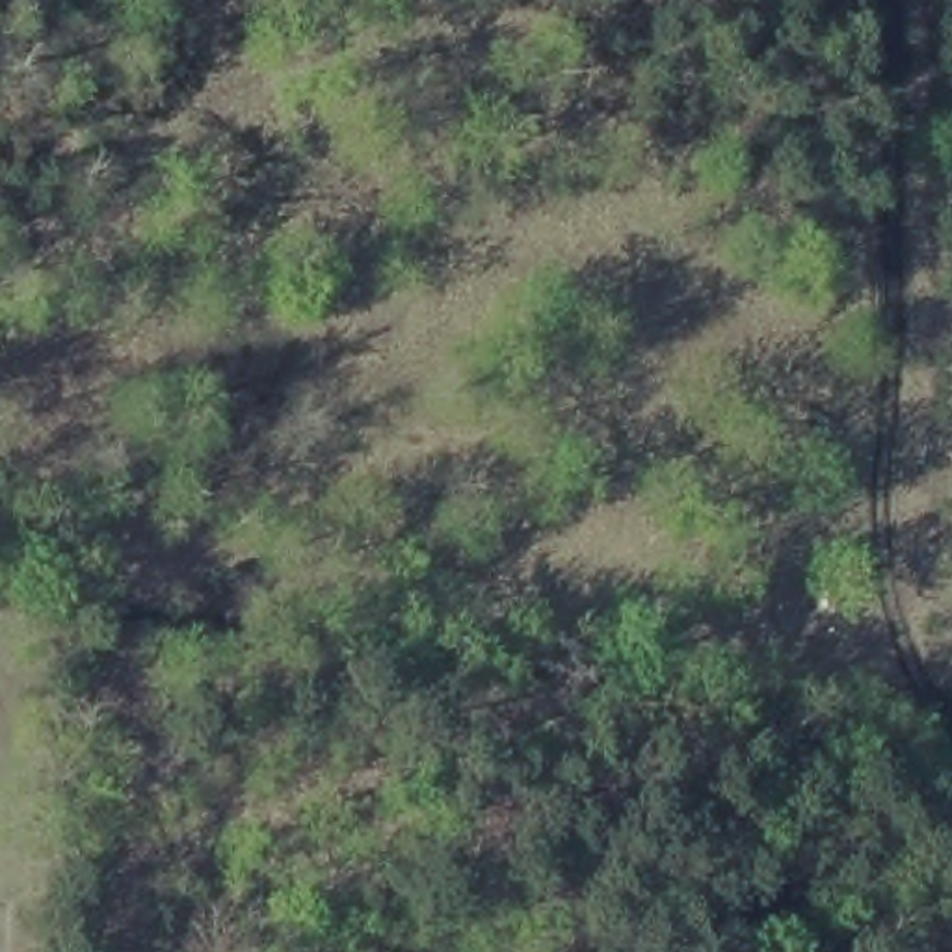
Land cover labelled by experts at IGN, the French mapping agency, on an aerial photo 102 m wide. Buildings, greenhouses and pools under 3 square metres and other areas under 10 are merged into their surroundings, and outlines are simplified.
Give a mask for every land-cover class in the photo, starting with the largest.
<instances>
[{"label":"coniferous trees","instance_id":"1","mask_svg":"<svg viewBox=\"0 0 952 952\"><path fill-rule=\"evenodd\" d=\"M11 33L19 37L37 33L45 22H67L74 33L86 30L89 15L78 11L71 0H19L11 7ZM115 11L104 22H97L100 52L89 63H67L63 78L45 74L37 67L45 45L37 41L30 56L11 60L0 74V357L26 331L48 327V312L56 305L71 309V327L97 331L108 342L115 335L134 338L152 316L156 257L190 253L193 275L223 268V253L216 245L227 234V208L249 190L245 175L227 171V160L219 156L182 160L186 141L179 138H167V152L156 156L160 171L167 175V190L149 197L145 208H138V219L123 231L126 249L100 268L86 253H71L56 260L48 271L33 268L26 245L15 238V216L4 208V201L19 186L37 201V208H67L74 223L97 227L100 208L115 190V175L123 171L108 160L104 141L119 134L152 138V123H164L182 112V104L212 74L219 56L242 48L253 0H112ZM33 141H67L78 156V167H22L30 160ZM353 11L364 22H376L379 37L390 48L413 45L420 37H446L454 33V22L435 15L417 19L409 0H338V19L350 22ZM614 0H532L528 7L536 11H554L580 26L588 7H602ZM740 15L736 0H673L655 15V30L647 37L614 33V52H621L625 63L636 71V112L651 119L666 112V100L677 86V48L707 52L703 30H714L721 19L729 22ZM855 0H785L781 37L788 45L811 60H829L833 74L844 82V97L833 104L829 123L818 138H811L807 145L785 141L774 149L777 190L800 197H852L859 212L874 219L878 212L893 208V179L889 171H874L859 160V141L852 126L870 119L878 130H896V104L885 86H878V67L866 60V52H859V30L852 26ZM941 160V179L952 182V115L937 119L930 138ZM941 264L922 268L930 275L933 294L941 301L952 298V212L937 216ZM926 368L933 372V398L926 402L937 424L952 420V357L937 353L926 361ZM231 420L227 387L208 368L119 383L112 394V409L93 424V439H86L74 450L78 469L60 476L56 483L11 480V454H0V643L11 651L4 666L15 673L19 684L7 714L11 747L0 766V863L7 866L19 893V926L30 941L26 952H104L89 941L82 915L89 904H97L104 852L119 840L167 844L175 837H190L193 829H201L208 803L231 781V759L216 755L212 740L223 721L242 733V714H257L268 729H286L268 751H260L245 788L257 803L279 800V785L298 774V747H316L324 736V729L316 725L320 707L335 714L338 729V744L331 747V762L324 766L327 774L350 777L357 770H368L364 751L372 747L387 755V788L379 800L398 818H405L387 844L402 852L390 870V885L409 904V911L402 919H383L379 911H353L346 922H335L327 915V900L320 896L324 878L305 859L290 863L294 889H283L271 896V904L245 911L242 896L271 833L260 818L242 814L219 837L223 874L216 881L205 885L186 870H164L152 878L156 893H179L193 900L190 926L175 919V907L156 911L152 952H822L796 915L766 919L762 926L733 922L721 933L710 919V911L721 904H747L762 893H777L792 848L814 859L811 896L837 926L852 933L855 952H952V774L937 766L930 744L945 733L941 714L915 707L874 673L844 677L840 684L814 677H796L777 662H744L759 699L766 692H796L807 703V710L818 714L814 721L829 740L811 759V766H803L800 759H788L774 747V729L759 714L736 725L721 710L714 718H695L681 703H658L647 710L643 699L621 703L602 688L606 669L599 662V643L580 628L576 636H562L554 628L550 640L569 655L562 677L569 699L584 710L588 733H480L472 725V714L454 710L476 669L457 662L446 647L420 643L417 632L405 625L402 584L383 573L376 558L383 547L398 543L394 521L402 513V498L394 495V483L383 472H364L357 461L331 483L324 498L305 491L286 509L275 502L271 491H227L223 498H216L205 483V461L219 446H227ZM126 513L156 521L171 539H182L193 521L212 524L216 558L201 573L197 588L175 584L171 606L193 610L219 602L242 621V628L219 636L201 625H190L179 632H160L145 647L126 643L119 636L115 617L130 588L126 573L119 569V550L93 547L82 536L89 521ZM509 792L524 807L513 822L509 878L528 889V911H502L495 919H483L469 889L472 870L457 863V852L469 826L480 822L487 807H495ZM298 826L309 840H316V852L335 848L338 855L357 863L368 852H379V844L376 833L357 822L353 807L338 796L335 807H305Z\"/></svg>","mask_w":952,"mask_h":952},{"label":"herbaceous vegetation","instance_id":"2","mask_svg":"<svg viewBox=\"0 0 952 952\"><path fill-rule=\"evenodd\" d=\"M19 0H0V74L11 60L30 56L37 41L45 45L37 67L45 74L63 78L67 63H89L100 52L97 22H104L115 11L112 0H71L78 11L89 15L86 30L74 33L67 22H45L37 33L19 37L11 33V7ZM487 15V22L469 37H420L413 45L390 48L357 67V74L376 89L379 108H405L409 123L402 130V141L409 145L413 164L431 179V190L439 193V216L420 231H405L387 227L379 219L383 193L372 171H357L331 145L324 123L305 126L312 156H320L324 164L301 179V167L290 156L286 141L279 134H264L275 123V97L268 78L245 63L242 48L219 56L212 74L182 104V112L164 123H152V138L119 134L104 141L108 160L123 171L115 175V190L100 208L97 227L74 223L67 208H37V201L19 186L4 201V208L15 216V238L26 245L33 268L48 271L56 260L71 253H86L100 268L126 249L123 231L138 219V208H145L149 197L167 190V175L160 171L156 156L167 152V138H179L186 141L182 160L219 156L227 160V171L245 175L249 190L227 208V234L216 245L223 253V268L245 271V264L286 223H301L335 238L350 260V279L335 294L320 335H290L275 320V312L257 301L238 309L223 338L212 342L201 331V320H193L179 305L182 283L193 275L190 253L156 257L152 316L134 338L115 335L108 342L97 331L71 327V309L56 305L48 312V327L26 331L0 357V398H15L30 413V446H19L11 454V480L56 483L60 476L78 469L74 450L86 439H93V424L112 409V394L119 383L208 368L227 387L231 420L227 446H219L205 461V483L216 498H223L227 491H271L275 502L286 509L305 491L324 498L331 483L357 461V454L372 450L376 428L390 431L405 417L409 398L446 372L450 350L476 335L487 301L502 286H513L539 264H562L588 298L610 301L632 320V331L606 376H591L584 364L565 372H543L558 424L599 446L595 469L610 483V506H591V498L576 491L562 521H539L543 495H528L521 465L491 450L487 443L431 454L394 483V495L402 498V513L394 521L398 543L417 539L428 550L431 565L424 573V599L431 602V610L454 617L457 610L476 606L472 621L487 636L502 640L506 651L528 662L521 684L509 681L502 669H476L454 710L472 714V725L480 733H588L584 710L569 699L562 677L569 655L550 640L539 643L528 632H517L513 614H521L524 606L543 610L554 628L562 636H576L580 628L584 614L610 617L621 602L643 599L666 621L662 643L692 651L707 643H733L740 647L744 662H777L796 677H814L818 666H826L837 655V643L829 636L848 617L822 606L811 595V558L818 543L833 539L866 547L870 521L866 495L859 487L840 509L803 517L785 498L777 476L770 480L755 461L721 457L710 439L681 424L666 394V376L673 372L677 350L703 335L718 353L740 364L744 394L762 409L777 413L788 435L803 439L811 431H829L833 443H840L852 454V461L866 450L874 435V383L844 379L829 364V353L800 331L796 316H788L762 290H751L744 279L725 275L718 264L721 238L744 216L762 212L774 227H800L803 219H811L822 231H829V238L840 245L837 294L852 305L870 301L878 309L874 279L859 264L874 249V219L859 212L852 197H800L777 190L774 149L785 141L807 145L811 138H818L829 123L833 104L844 97V82L833 74L829 60H811L788 45L766 74L796 82L788 89V108L796 112V119H762L747 145L744 186L733 197L710 190L695 167L692 175H681L647 138L643 156L636 164L647 179L636 193H602L599 179L569 175L576 197H554L532 208L543 190V171L558 164V156L547 149L528 156L513 175V208L524 212V227L509 245L495 234L454 238L457 219L469 208V190L454 182L450 167L439 164V149L469 115V100L476 93L517 108L543 130L558 134L562 108L547 100L543 89H517L509 78L491 71L495 41H521L532 30L536 11L528 7L532 0H472ZM387 260H413L424 271V279L376 301L379 271ZM294 405L301 413L320 409L331 417L327 435L301 461L294 454H279L271 443L275 424L290 417ZM673 457H684L703 472L707 491L718 506L740 502L744 513H751V521L759 524V543H751L747 550L770 573V588L762 599H718L710 588H699V576L707 573V550L714 543H681L666 528L647 521V513L632 502L640 472L655 461ZM454 495H495L502 502L506 524L498 547L487 558H469L443 536L435 513ZM740 15L729 22L747 41L755 60H762L781 37L785 0H736ZM78 167V156L67 141H33L30 160L22 167ZM907 402H926L933 398V372L926 368V361L904 368L900 387ZM82 536L93 547L119 550V569L126 573L130 588L115 617L119 636L126 643L145 647L160 632H179L190 625H201L219 636L242 628V621L219 602L193 610L171 606L175 584L197 588L201 573L216 558L212 524L193 521L182 539H171L156 521L126 513L89 521ZM759 714L774 729V747L788 759H800L803 766H811V759L829 740L814 721L818 714L807 710V703L796 692H766L759 699ZM242 733L223 721L212 740L216 755L231 759V781L208 803L201 829H193L190 837H175L167 844L119 840L104 852L97 904H89L82 915L89 941L104 952H152L156 911L175 907V919L190 926L193 900L179 893H156L152 878L164 870H186L205 885L216 881L223 874L219 837L242 814L260 818L271 833L242 896L245 911L271 904V896L283 889H294L290 863L305 859L324 878L320 896L327 900V915L335 922H346L353 911H379L383 919H402L409 911V904L390 885V870L402 852L387 844L405 818H398L379 800L387 788V755L372 747L364 751L368 770H357L350 777L327 774L324 766L331 762V747L338 744V729L335 714L320 707L316 725L324 729V736L316 747H298V774L279 785V800L257 803L245 788L260 751H268L286 729H268L257 714H242ZM338 796L353 807L357 822L376 833L379 844V852H368L357 863L338 855L335 848L316 852V840H309L298 826L305 807H335ZM524 807L509 792L495 807H487L480 822L469 826L457 852V863L472 870L469 889L483 919H495L502 911H528V889L509 878L513 822ZM814 859L792 848L777 893H762L747 904H721L710 911V919L721 933L733 922L762 926L766 919L796 915L822 952H855L852 933L837 926L811 896Z\"/></svg>","mask_w":952,"mask_h":952},{"label":"deciduous trees","instance_id":"3","mask_svg":"<svg viewBox=\"0 0 952 952\"><path fill-rule=\"evenodd\" d=\"M338 0H253L242 48L245 63L268 78L275 97V123L264 134H279L286 141L290 156L301 167V179L324 164L320 156H312L305 126L324 123L331 145L357 171H372L383 193L379 219L387 227L405 231H420L439 216V193L431 190V179L413 164L409 145L402 141V130L409 123L405 108H379L376 89L357 74V67L390 48L379 37L376 22H364L353 11L350 22L338 19ZM852 26L859 30V52H866V60L878 67L881 22L874 15V0H855ZM584 56L580 26L554 11H536L532 30L521 41H495L491 71L509 78L517 89H543L547 100L562 108L569 100ZM707 52L710 89L718 104V134L710 138V145L695 152V167L710 190L733 197L744 186L747 145L762 119H796V112L788 108V89L796 82L766 74L788 45L781 37L762 60H755L747 41L729 22L721 19L714 30H703ZM647 138L643 126H628L617 119L595 141H565L558 134L543 130L517 108L476 93L469 100V115L439 149V164L450 167L454 182L469 190V208L457 219L454 238L495 234L509 245L524 227V212L513 208V175L528 156L547 149L558 156V164L543 171V190L532 208L554 197H576L569 175L599 179L602 193H636L647 179L636 164L643 156ZM725 275L744 279L751 290H762L788 316H796L800 331L829 353V364L844 379L874 383L881 379L893 357L889 335L878 327V309L870 301L852 305L837 294L840 245L829 238V231H822L811 219H803L800 227H774L762 212L744 216L721 238L718 264ZM350 279V260L335 238L301 223H286L245 264V271L223 268L193 275L182 283L179 305L193 320H201V331L212 342L223 338L238 309L257 301L275 312V320L290 335H320L335 294ZM424 279V271L413 260H387L379 271L376 301ZM632 331V320L610 301L588 298L562 264H539L513 286H502L487 301L476 335L450 350L446 372L409 398L405 417L390 431L376 428L372 450L357 454V461L364 472H383L394 483L431 454L487 443L491 450L521 465L528 495H543L539 521H562L576 491L591 498V506H610V483L595 469L599 446L558 424L543 372H565L584 364L591 376H606ZM666 394L681 424L710 439L721 457L755 461L770 480L777 476L785 498L803 517L840 509L859 487L852 461V454L840 443H833L829 431H811L803 439L788 435L777 413L762 409L744 394L740 364L718 353L703 335L677 350L673 372L666 376ZM19 446H30V413L15 398H0V454H11ZM331 417L320 409L301 413L294 405L290 417L275 424L271 443L279 454H294L301 461L327 435ZM632 502L647 513V521L666 528L681 543H714L707 550V573L699 576V588H710L718 599H762L770 588V573L747 550L751 543H759V524L751 521V513H744L740 502L718 506L707 491L703 472L684 457H673L655 461L640 472ZM443 536L469 558H487L498 547L506 524L502 502L495 495H454L435 513ZM376 558L383 573L402 584L405 625L417 632L420 643L446 647L457 662L476 669H502L509 681L521 684L528 662L506 651L502 640L487 636L472 621L476 606L457 610L454 617L431 610V602L424 599V573L431 565L428 550L417 539L398 543L383 547ZM811 595L822 606L848 617H863L878 602V562L866 547L833 539L818 543L811 558ZM580 628L599 643V662L606 669L602 688L621 703L643 699L647 710L658 703H681L695 718H714L721 710L736 725L759 714V699L744 662L740 647L733 643H707L692 651L662 643L666 621L643 599L621 602L610 617L584 614ZM517 632H528L539 643L550 640L554 628L543 610L524 606L521 614H513Z\"/></svg>","mask_w":952,"mask_h":952},{"label":"bare soil","instance_id":"4","mask_svg":"<svg viewBox=\"0 0 952 952\"><path fill-rule=\"evenodd\" d=\"M874 15L881 22L878 67V86H885L896 104V130H878L870 119L852 126L859 141V160L874 171H889L893 179V208L878 212L874 219V249L859 264L874 279L878 309V327L889 335L893 357L881 379L874 383V435L866 450L852 461L859 487L866 495L870 521L866 547L878 562V602L863 617H848L829 636L837 643V655L826 666H818L814 677L840 684L844 677L874 673L915 707L941 714L945 733L930 744L937 766L952 774V420L937 424L926 402H907L900 387L904 368L926 361L937 353L952 357V298L941 301L933 294L930 275L922 268L941 264L937 216L952 212V182L941 179V160L930 138L937 119L952 115V0H874ZM11 651L0 643V766L11 747L7 714L19 684L15 673L4 666ZM30 941L19 926V893L7 866L0 863V952H26Z\"/></svg>","mask_w":952,"mask_h":952},{"label":"brushwood","instance_id":"5","mask_svg":"<svg viewBox=\"0 0 952 952\"><path fill-rule=\"evenodd\" d=\"M417 19L435 15L454 22V33L446 37H469L487 22V15L472 0H409ZM673 0H614L602 7H588L580 26L584 56L569 100L562 108L558 134L565 141H595L617 119L628 126H643L647 138L681 175H692L695 167V152L710 145V138L718 134V104L710 89L707 52L677 48V86L666 100V112L651 119L636 112V71L625 63L621 52H614V33L647 37L655 30V15Z\"/></svg>","mask_w":952,"mask_h":952}]
</instances>
